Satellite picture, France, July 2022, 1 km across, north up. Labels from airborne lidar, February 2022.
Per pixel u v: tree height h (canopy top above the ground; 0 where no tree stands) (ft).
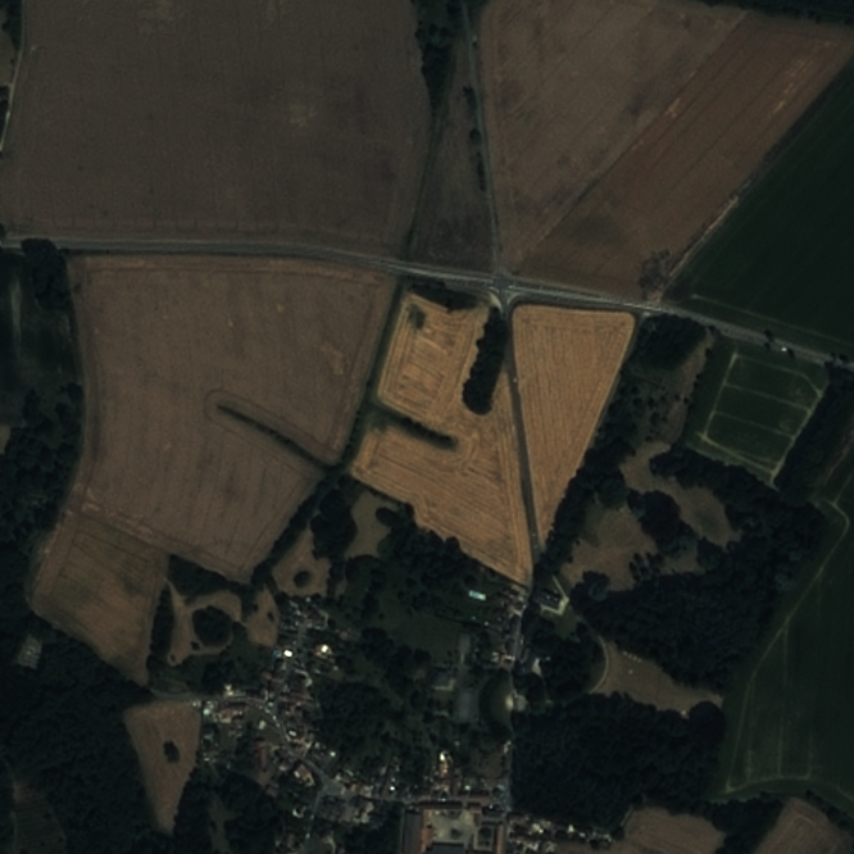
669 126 0
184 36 0
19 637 54
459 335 0
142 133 0
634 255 0
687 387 0
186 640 0
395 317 0
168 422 0
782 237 0
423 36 38
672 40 0
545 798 64
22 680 37
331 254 0
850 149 0
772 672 0
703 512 0
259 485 0
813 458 100
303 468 0
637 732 32
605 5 0
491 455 0
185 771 0
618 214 0
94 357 0
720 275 0
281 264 0
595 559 0
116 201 0
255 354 0
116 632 0
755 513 105
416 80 0
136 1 0
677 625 102
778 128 0
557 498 0
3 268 0
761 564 26
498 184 0
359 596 0
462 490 0
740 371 0
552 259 0
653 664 0
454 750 17
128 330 0
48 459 49
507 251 0
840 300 0
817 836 0
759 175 0
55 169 0
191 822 73
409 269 0
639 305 0
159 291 0
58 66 0
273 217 0
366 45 0
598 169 0
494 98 0
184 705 0
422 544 47
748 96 0
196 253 0
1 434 0
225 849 0
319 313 0
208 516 0
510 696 0
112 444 0
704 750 89
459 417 0
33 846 0
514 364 0
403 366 0
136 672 0
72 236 0
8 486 42
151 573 0
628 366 18
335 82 0
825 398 0
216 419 0
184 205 0
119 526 0
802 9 23
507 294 0
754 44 0
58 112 0
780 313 0
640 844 0
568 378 0
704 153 0
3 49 0
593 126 0
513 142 0
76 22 0
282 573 0
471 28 0
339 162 0
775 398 0
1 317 0
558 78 0
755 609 99
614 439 31
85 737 89
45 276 70
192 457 0
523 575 0
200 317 0
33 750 79
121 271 0
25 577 53
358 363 0
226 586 38
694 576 0
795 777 0
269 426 0
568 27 0
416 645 0
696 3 0
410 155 0
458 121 0
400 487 0
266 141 0
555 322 0
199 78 0
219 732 35
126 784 93
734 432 0
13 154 0
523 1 0
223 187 0
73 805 81
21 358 0
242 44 0
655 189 0
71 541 0
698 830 0
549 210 0
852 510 0
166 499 0
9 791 89
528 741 45
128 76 0
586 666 72
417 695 48
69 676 58
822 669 0
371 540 0
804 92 0
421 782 25
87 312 0
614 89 0
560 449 0
